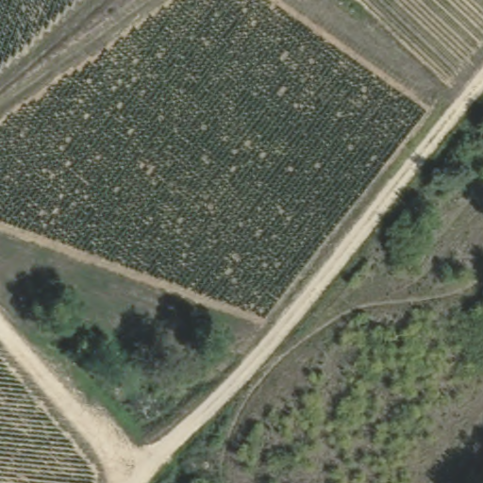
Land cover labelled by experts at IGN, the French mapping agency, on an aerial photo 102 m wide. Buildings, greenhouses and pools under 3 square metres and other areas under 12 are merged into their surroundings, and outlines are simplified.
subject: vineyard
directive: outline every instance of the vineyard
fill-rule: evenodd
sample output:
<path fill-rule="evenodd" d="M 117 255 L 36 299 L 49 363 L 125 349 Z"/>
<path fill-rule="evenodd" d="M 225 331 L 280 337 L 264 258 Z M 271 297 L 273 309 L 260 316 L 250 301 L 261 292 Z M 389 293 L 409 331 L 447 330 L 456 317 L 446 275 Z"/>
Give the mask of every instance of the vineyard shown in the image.
<path fill-rule="evenodd" d="M 117 40 L 113 49 L 104 49 L 102 55 L 92 64 L 87 64 L 81 72 L 66 75 L 43 96 L 42 100 L 26 104 L 17 115 L 11 115 L 8 121 L 0 125 L 0 225 L 9 223 L 42 234 L 45 238 L 74 245 L 75 249 L 108 258 L 111 262 L 119 262 L 136 272 L 145 272 L 158 279 L 166 279 L 170 283 L 177 283 L 200 294 L 208 294 L 215 300 L 221 300 L 230 306 L 238 306 L 245 311 L 253 311 L 258 317 L 264 317 L 270 313 L 275 300 L 283 294 L 285 287 L 291 283 L 292 277 L 308 262 L 308 258 L 319 247 L 326 234 L 357 200 L 358 194 L 368 187 L 368 183 L 383 166 L 383 162 L 391 157 L 398 143 L 404 140 L 404 136 L 423 115 L 423 109 L 413 100 L 409 100 L 408 96 L 392 89 L 383 79 L 375 77 L 370 70 L 358 64 L 355 58 L 341 53 L 338 47 L 313 34 L 308 26 L 292 19 L 285 9 L 270 8 L 270 0 L 175 0 L 170 8 L 162 9 L 157 17 L 149 17 L 140 28 L 134 28 L 126 38 Z"/>
<path fill-rule="evenodd" d="M 391 32 L 396 42 L 402 43 L 404 49 L 408 49 L 421 64 L 430 68 L 441 83 L 449 87 L 455 98 L 464 91 L 468 81 L 483 66 L 483 0 L 355 0 L 379 25 Z"/>
<path fill-rule="evenodd" d="M 72 4 L 72 0 L 0 0 L 0 62 L 6 60 L 9 55 L 15 55 L 17 49 L 30 42 L 30 36 L 34 32 L 38 32 L 42 26 L 47 26 L 57 13 L 68 4 Z"/>
<path fill-rule="evenodd" d="M 0 345 L 0 483 L 108 483 L 106 468 L 94 453 L 91 443 L 85 440 L 81 432 L 62 415 L 62 411 L 53 404 L 53 400 L 38 387 L 32 375 L 26 372 L 23 364 L 15 360 L 13 355 L 9 355 Z"/>

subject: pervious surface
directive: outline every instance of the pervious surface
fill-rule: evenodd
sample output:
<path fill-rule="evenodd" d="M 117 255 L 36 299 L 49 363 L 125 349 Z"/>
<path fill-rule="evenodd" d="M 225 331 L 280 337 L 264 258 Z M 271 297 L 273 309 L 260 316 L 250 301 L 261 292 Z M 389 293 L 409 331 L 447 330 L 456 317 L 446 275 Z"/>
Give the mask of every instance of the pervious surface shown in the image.
<path fill-rule="evenodd" d="M 385 187 L 375 196 L 374 202 L 360 215 L 360 219 L 345 234 L 345 238 L 336 245 L 334 253 L 321 266 L 321 270 L 311 277 L 304 291 L 300 292 L 291 306 L 283 311 L 274 328 L 262 338 L 257 347 L 241 360 L 240 366 L 228 375 L 191 415 L 187 415 L 179 425 L 174 426 L 164 438 L 155 443 L 140 447 L 134 445 L 128 440 L 123 428 L 109 417 L 106 409 L 85 404 L 83 392 L 75 389 L 70 375 L 62 375 L 58 379 L 57 375 L 47 368 L 42 358 L 34 353 L 30 343 L 13 330 L 9 321 L 0 325 L 0 345 L 9 355 L 13 355 L 15 360 L 23 364 L 26 372 L 32 375 L 38 387 L 53 400 L 53 404 L 62 411 L 62 415 L 81 432 L 85 440 L 91 443 L 94 453 L 106 468 L 108 483 L 149 483 L 153 475 L 160 470 L 160 466 L 164 466 L 175 451 L 191 438 L 200 426 L 206 425 L 209 419 L 234 396 L 234 392 L 257 372 L 258 366 L 304 317 L 311 304 L 325 291 L 326 285 L 340 274 L 341 268 L 353 257 L 360 243 L 372 232 L 381 215 L 391 208 L 398 192 L 408 185 L 409 179 L 417 172 L 413 160 L 406 160 L 400 166 L 400 170 L 385 183 Z"/>
<path fill-rule="evenodd" d="M 483 66 L 468 81 L 464 91 L 455 98 L 455 102 L 445 109 L 438 123 L 430 128 L 425 140 L 415 147 L 415 155 L 430 157 L 438 149 L 441 140 L 449 134 L 449 130 L 453 130 L 453 126 L 457 125 L 468 104 L 483 92 Z"/>
<path fill-rule="evenodd" d="M 119 262 L 111 262 L 108 258 L 75 249 L 74 245 L 45 238 L 42 234 L 9 223 L 0 225 L 0 232 L 17 240 L 36 243 L 40 247 L 57 251 L 79 262 L 98 266 L 113 274 L 125 275 L 132 281 L 140 281 L 162 292 L 177 294 L 192 304 L 200 304 L 204 308 L 223 311 L 228 315 L 251 321 L 253 325 L 264 325 L 264 317 L 258 317 L 253 311 L 245 311 L 238 306 L 230 306 L 221 300 L 215 300 L 208 294 L 200 294 L 177 283 L 170 283 L 166 279 L 158 279 L 145 272 L 136 272 Z"/>

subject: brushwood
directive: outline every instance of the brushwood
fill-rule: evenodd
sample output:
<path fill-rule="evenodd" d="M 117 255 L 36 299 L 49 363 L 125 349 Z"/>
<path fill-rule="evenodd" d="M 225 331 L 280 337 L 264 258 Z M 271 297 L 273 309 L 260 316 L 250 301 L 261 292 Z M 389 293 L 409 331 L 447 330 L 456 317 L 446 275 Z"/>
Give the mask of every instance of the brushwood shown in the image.
<path fill-rule="evenodd" d="M 449 347 L 460 345 L 462 351 L 457 357 L 449 358 L 451 370 L 443 375 L 445 381 L 449 381 L 455 377 L 466 377 L 466 364 L 483 366 L 483 304 L 470 311 L 462 311 L 462 304 L 458 304 L 447 311 L 447 319 L 457 319 L 457 325 L 447 326 L 445 343 Z"/>
<path fill-rule="evenodd" d="M 449 130 L 449 134 L 441 140 L 438 149 L 430 157 L 415 155 L 413 160 L 417 172 L 409 179 L 408 185 L 398 192 L 391 208 L 381 215 L 372 232 L 381 245 L 385 264 L 396 266 L 389 245 L 389 228 L 404 213 L 409 213 L 411 221 L 417 223 L 426 209 L 432 208 L 438 204 L 443 194 L 455 189 L 464 192 L 468 183 L 472 183 L 474 179 L 483 179 L 483 92 L 468 104 L 457 125 L 453 126 L 453 130 Z"/>
<path fill-rule="evenodd" d="M 483 458 L 477 458 L 468 464 L 464 483 L 483 483 Z"/>

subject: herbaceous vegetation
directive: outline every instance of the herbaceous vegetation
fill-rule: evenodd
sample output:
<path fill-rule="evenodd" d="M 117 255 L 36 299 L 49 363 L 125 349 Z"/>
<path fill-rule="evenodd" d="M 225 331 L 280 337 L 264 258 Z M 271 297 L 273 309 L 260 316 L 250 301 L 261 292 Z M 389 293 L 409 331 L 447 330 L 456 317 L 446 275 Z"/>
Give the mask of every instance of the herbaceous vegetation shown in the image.
<path fill-rule="evenodd" d="M 455 377 L 449 381 L 445 381 L 443 375 L 451 370 L 449 358 L 457 357 L 462 351 L 460 345 L 449 347 L 445 343 L 447 326 L 457 325 L 457 319 L 447 319 L 447 311 L 458 304 L 462 304 L 462 311 L 470 311 L 483 304 L 483 179 L 474 179 L 472 183 L 468 183 L 464 192 L 455 189 L 443 194 L 438 204 L 432 208 L 441 217 L 441 230 L 438 230 L 438 240 L 434 245 L 432 257 L 425 258 L 425 262 L 419 262 L 417 266 L 406 264 L 402 270 L 398 270 L 396 266 L 385 264 L 381 245 L 372 232 L 360 243 L 353 257 L 341 268 L 340 274 L 326 285 L 325 291 L 311 304 L 304 317 L 258 366 L 257 372 L 234 392 L 234 396 L 209 419 L 206 425 L 200 426 L 191 438 L 175 451 L 164 466 L 160 466 L 160 470 L 153 475 L 149 483 L 464 483 L 468 464 L 477 458 L 483 458 L 483 366 L 466 364 L 466 377 Z"/>
<path fill-rule="evenodd" d="M 375 196 L 385 187 L 385 183 L 400 170 L 400 166 L 406 160 L 413 160 L 415 155 L 415 147 L 425 140 L 430 128 L 438 123 L 445 109 L 455 102 L 455 98 L 449 87 L 441 83 L 430 68 L 421 64 L 408 49 L 404 49 L 402 43 L 396 42 L 391 32 L 379 25 L 355 0 L 270 0 L 270 8 L 285 9 L 292 19 L 308 26 L 313 34 L 338 47 L 341 53 L 355 58 L 358 64 L 370 70 L 375 77 L 383 79 L 392 89 L 408 96 L 409 100 L 413 100 L 423 109 L 423 115 L 404 136 L 404 140 L 398 143 L 391 157 L 383 162 L 383 166 L 368 183 L 368 187 L 358 194 L 357 200 L 326 234 L 319 247 L 308 258 L 308 262 L 292 277 L 291 283 L 285 287 L 283 294 L 275 300 L 270 313 L 264 317 L 264 325 L 253 325 L 251 321 L 228 315 L 223 311 L 204 308 L 200 304 L 192 304 L 177 294 L 162 292 L 140 281 L 132 281 L 125 275 L 113 274 L 98 266 L 79 262 L 57 251 L 40 247 L 36 243 L 17 240 L 0 232 L 0 325 L 9 321 L 13 330 L 30 343 L 34 353 L 42 358 L 47 368 L 57 375 L 58 379 L 62 375 L 70 375 L 75 389 L 83 392 L 85 404 L 106 409 L 109 417 L 123 428 L 128 440 L 134 445 L 140 447 L 155 443 L 164 438 L 174 426 L 179 425 L 187 415 L 191 415 L 228 375 L 240 366 L 241 360 L 257 347 L 262 338 L 274 328 L 283 311 L 291 306 L 300 292 L 304 291 L 311 277 L 321 270 L 321 266 L 334 253 L 336 245 L 345 238 L 345 234 L 360 219 L 360 215 L 374 202 Z M 26 321 L 28 311 L 32 311 L 34 306 L 42 306 L 43 309 L 53 311 L 64 291 L 81 292 L 83 304 L 87 306 L 85 323 L 79 326 L 72 336 L 58 338 L 53 332 L 40 332 L 38 323 Z M 123 375 L 113 377 L 108 385 L 102 387 L 98 387 L 83 370 L 85 364 L 94 362 L 94 353 L 98 351 L 100 343 L 106 340 L 104 332 L 111 328 L 115 330 L 121 349 L 125 353 L 136 353 L 143 345 L 155 351 L 160 343 L 166 341 L 181 349 L 183 343 L 179 341 L 183 340 L 185 330 L 198 325 L 211 328 L 211 325 L 217 326 L 221 323 L 230 325 L 232 334 L 236 336 L 230 349 L 230 358 L 223 364 L 213 364 L 211 368 L 200 360 L 196 370 L 192 374 L 181 375 L 177 387 L 172 389 L 157 389 L 157 385 L 145 381 L 140 368 L 132 364 L 126 366 Z"/>
<path fill-rule="evenodd" d="M 15 55 L 9 55 L 6 60 L 0 62 L 0 125 L 8 121 L 11 115 L 17 115 L 26 104 L 42 100 L 43 96 L 66 75 L 81 72 L 87 64 L 92 64 L 102 55 L 104 49 L 113 49 L 117 40 L 126 38 L 134 28 L 140 28 L 149 17 L 157 17 L 162 9 L 170 8 L 175 0 L 72 0 L 72 4 L 68 4 L 57 13 L 47 26 L 42 26 L 38 32 L 34 32 L 30 36 L 30 42 L 17 49 Z"/>

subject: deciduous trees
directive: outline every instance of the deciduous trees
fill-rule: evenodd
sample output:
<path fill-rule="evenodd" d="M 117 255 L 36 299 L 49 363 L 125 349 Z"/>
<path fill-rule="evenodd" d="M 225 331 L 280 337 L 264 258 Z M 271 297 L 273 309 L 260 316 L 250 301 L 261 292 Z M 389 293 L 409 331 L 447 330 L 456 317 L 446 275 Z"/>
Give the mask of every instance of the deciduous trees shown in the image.
<path fill-rule="evenodd" d="M 230 349 L 236 336 L 232 334 L 230 325 L 221 323 L 217 326 L 211 325 L 211 328 L 198 325 L 185 330 L 183 340 L 179 341 L 183 343 L 181 349 L 166 341 L 160 343 L 155 351 L 143 345 L 136 353 L 125 353 L 121 349 L 115 330 L 111 328 L 104 332 L 106 340 L 100 343 L 98 351 L 94 353 L 94 362 L 85 364 L 83 370 L 98 387 L 102 387 L 108 385 L 113 377 L 123 375 L 126 366 L 132 364 L 140 368 L 145 381 L 157 385 L 157 389 L 172 389 L 177 387 L 181 375 L 192 374 L 196 370 L 200 360 L 211 368 L 213 364 L 223 364 L 230 358 Z"/>
<path fill-rule="evenodd" d="M 40 332 L 53 332 L 58 338 L 72 336 L 79 326 L 85 323 L 87 306 L 83 304 L 81 292 L 64 291 L 53 311 L 43 309 L 42 306 L 34 306 L 32 311 L 28 311 L 26 321 L 38 323 Z"/>
<path fill-rule="evenodd" d="M 411 221 L 409 213 L 404 213 L 389 228 L 389 245 L 396 266 L 398 270 L 402 270 L 406 264 L 417 266 L 419 262 L 425 262 L 425 258 L 432 257 L 434 245 L 438 240 L 438 230 L 441 230 L 441 217 L 432 208 L 426 209 L 417 223 Z"/>

